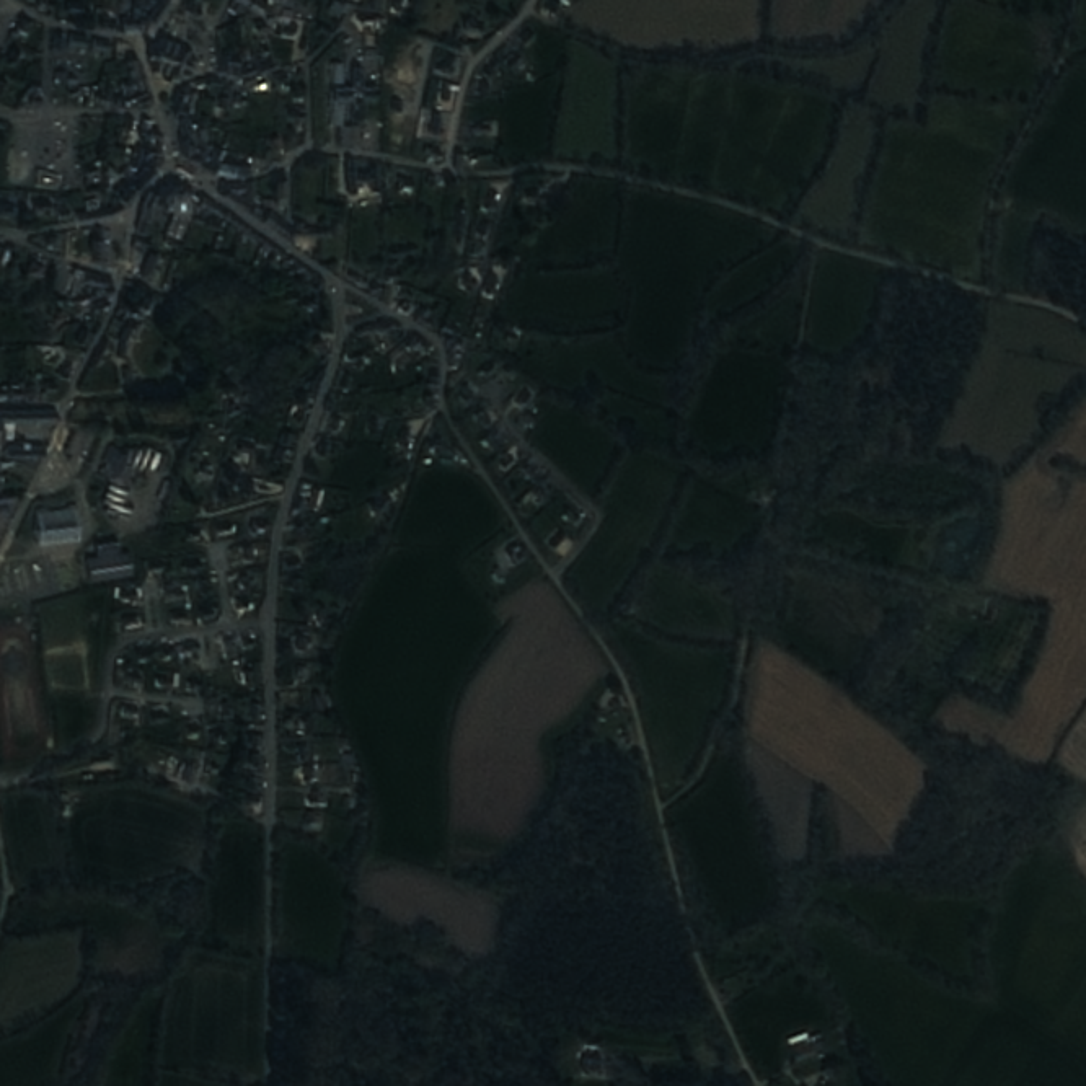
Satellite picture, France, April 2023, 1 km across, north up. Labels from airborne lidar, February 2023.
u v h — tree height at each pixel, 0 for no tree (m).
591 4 0
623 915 23
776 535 20
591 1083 0
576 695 0
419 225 0
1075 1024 0
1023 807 19
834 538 0
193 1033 0
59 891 25
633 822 18
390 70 0
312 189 0
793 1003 0
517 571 0
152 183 0
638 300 0
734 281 0
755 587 21
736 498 0
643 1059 0
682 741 0
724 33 0
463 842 0
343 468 0
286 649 12
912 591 10
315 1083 29
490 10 11
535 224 9
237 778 9
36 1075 0
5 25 0
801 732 0
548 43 0
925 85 9
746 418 0
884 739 0
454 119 0
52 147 0
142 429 24
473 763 0
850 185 0
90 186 6
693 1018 17
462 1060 22
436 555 0
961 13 0
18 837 0
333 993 26
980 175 0
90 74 0
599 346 0
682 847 14
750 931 11
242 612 0
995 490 15
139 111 0
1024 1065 0
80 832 0
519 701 0
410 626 0
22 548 0
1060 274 12
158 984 15
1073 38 15
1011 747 0
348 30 0
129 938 0
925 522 21
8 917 6
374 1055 25
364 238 0
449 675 0
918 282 11
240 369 16
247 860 0
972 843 19
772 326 0
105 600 0
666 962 24
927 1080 0
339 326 0
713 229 0
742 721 11
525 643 0
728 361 0
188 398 7
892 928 0
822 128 0
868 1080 20
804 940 10
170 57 0
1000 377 0
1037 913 0
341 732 8
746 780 6
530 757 0
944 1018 0
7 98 0
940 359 16
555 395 7
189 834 0
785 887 19
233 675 0
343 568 13
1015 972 0
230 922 0
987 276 10
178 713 0
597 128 0
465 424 7
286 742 0
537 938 23
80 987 10
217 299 20
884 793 0
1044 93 16
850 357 13
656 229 0
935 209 0
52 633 0
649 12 0
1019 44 0
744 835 0
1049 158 0
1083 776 0
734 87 0
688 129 0
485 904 0
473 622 0
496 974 18
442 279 9
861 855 0
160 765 0
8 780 0
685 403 22
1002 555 0
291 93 8
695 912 16
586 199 0
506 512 0
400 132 0
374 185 0
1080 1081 0
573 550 0
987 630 0
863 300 0
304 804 0
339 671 0
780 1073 10
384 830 0
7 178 0
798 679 0
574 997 22
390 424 0
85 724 0
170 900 8
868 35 16
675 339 0
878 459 18
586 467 0
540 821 13
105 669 0
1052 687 0
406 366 0
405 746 0
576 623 0
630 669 8
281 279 7
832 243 11
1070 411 7
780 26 0
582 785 24
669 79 0
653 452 13
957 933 0
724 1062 21
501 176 0
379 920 5
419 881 0
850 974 0
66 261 0
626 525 0
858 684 13
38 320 9
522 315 0
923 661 19
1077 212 0
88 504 0
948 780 20
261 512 0
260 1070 0
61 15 10
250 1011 0
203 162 0
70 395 0
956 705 0
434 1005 26
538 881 20
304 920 0
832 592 0
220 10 0
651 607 0
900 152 0
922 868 15
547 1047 27
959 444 0
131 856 0
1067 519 0
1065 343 0
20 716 0
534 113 0
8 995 0
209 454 0
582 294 0
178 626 0
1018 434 0
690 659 0
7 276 7
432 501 0
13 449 0
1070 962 0
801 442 20
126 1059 0
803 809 0
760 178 0
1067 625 0
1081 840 0
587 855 15
